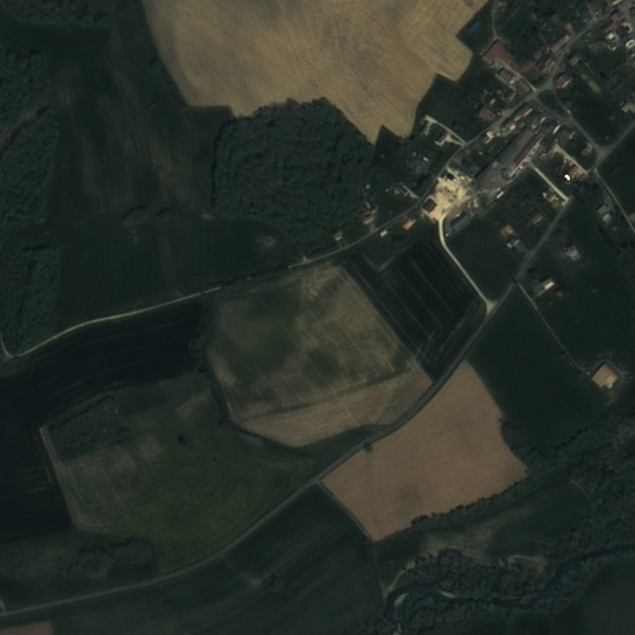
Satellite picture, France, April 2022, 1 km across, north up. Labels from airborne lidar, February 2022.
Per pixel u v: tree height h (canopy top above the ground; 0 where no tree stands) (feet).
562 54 0
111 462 0
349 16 0
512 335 0
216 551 0
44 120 79
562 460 68
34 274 76
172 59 0
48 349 0
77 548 0
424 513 0
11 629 0
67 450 33
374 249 0
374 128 0
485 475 0
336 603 0
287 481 0
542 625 0
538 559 0
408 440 0
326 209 92
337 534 0
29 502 0
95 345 0
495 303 0
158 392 0
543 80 25
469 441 0
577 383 0
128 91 0
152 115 0
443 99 0
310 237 58
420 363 0
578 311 0
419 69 0
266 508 0
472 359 0
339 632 0
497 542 0
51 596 0
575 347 0
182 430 0
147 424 0
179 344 0
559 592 27
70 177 0
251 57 0
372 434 0
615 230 0
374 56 0
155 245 0
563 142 0
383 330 0
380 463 0
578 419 0
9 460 0
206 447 0
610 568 0
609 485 26
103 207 0
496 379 0
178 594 0
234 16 0
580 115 0
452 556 54
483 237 0
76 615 0
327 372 0
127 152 0
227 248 0
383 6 0
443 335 0
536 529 0
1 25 0
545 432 0
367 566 0
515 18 0
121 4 0
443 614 49
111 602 0
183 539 0
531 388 0
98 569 96
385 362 0
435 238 0
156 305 0
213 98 0
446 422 0
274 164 100
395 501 0
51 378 0
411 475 0
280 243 0
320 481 0
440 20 0
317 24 0
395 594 0
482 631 0
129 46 0
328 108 78
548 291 0
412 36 0
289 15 0
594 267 0
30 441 0
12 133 0
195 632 0
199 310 0
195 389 0
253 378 0
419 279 0
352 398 0
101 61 0
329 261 0
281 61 0
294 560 0
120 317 0
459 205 0
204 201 0
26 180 70
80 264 0
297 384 0
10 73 88
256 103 0
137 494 0
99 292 0
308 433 0
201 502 0
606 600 0
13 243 32
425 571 62
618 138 0
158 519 0
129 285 0
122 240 0
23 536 0
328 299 0
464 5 0
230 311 0
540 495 0
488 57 0
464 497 0
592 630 0
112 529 0
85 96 0
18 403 0
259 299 0
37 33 0
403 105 0
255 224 0
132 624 0
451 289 0
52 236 0
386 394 0
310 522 0
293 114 86
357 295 0
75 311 0
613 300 0
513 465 0
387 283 0
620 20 0
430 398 0
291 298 0
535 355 0
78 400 0
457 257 0
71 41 0
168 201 0
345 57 0
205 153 0
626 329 0
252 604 0
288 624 0
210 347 0
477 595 44
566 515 0
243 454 0
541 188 0
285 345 0
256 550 0
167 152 0
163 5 0
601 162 0
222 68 0
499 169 0
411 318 0
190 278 0
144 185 0
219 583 0
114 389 0
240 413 0
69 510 0
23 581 0
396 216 0
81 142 0
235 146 80
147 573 0
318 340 0
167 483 0
